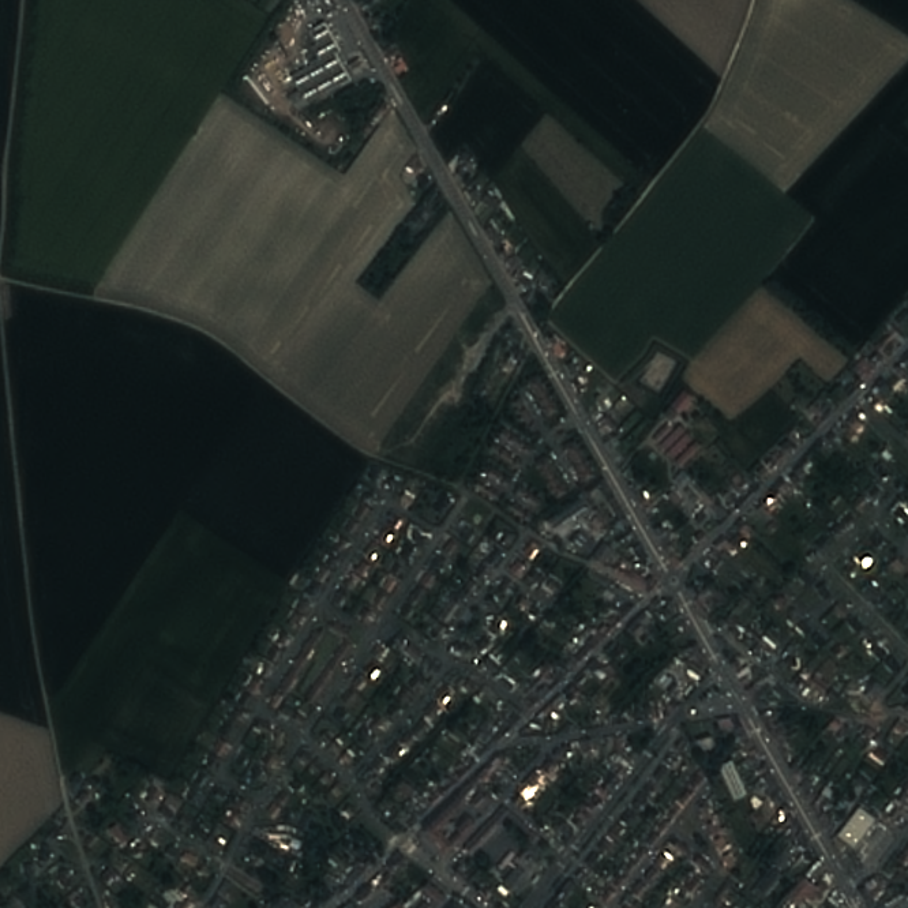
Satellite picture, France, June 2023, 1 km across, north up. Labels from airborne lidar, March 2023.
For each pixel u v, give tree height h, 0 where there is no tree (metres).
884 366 0
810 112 0
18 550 0
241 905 0
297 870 8
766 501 0
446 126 0
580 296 0
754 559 0
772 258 0
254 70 0
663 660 6
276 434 0
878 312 0
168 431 0
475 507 0
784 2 0
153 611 0
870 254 0
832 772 0
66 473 0
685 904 0
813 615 0
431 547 0
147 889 0
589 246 0
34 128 0
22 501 0
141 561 0
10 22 0
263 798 0
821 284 0
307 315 0
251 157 0
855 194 0
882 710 0
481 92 0
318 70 0
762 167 0
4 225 0
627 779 0
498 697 0
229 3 0
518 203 0
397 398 0
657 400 0
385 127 0
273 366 0
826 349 0
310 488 0
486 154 0
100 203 0
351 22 0
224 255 0
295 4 0
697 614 0
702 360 0
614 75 0
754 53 0
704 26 0
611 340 0
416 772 0
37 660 0
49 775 0
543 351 0
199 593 0
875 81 0
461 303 0
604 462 0
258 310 0
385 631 0
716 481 0
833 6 0
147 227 0
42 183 0
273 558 0
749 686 0
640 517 0
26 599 0
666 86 0
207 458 0
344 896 0
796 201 0
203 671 0
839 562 0
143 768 14
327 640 0
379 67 0
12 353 0
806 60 0
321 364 0
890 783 0
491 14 0
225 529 0
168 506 0
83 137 0
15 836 0
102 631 0
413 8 0
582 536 0
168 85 0
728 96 0
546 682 0
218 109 0
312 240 0
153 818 0
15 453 0
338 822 15
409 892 9
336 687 0
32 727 0
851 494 0
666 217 0
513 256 0
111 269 0
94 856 0
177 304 0
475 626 8
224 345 0
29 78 0
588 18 0
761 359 0
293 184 0
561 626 7
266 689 0
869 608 0
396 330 0
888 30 0
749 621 0
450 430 0
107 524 0
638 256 0
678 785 0
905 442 0
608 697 0
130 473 0
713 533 0
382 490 0
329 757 0
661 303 0
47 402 0
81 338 0
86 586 0
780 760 0
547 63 0
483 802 0
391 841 0
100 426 0
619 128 0
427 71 0
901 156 0
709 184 0
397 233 7
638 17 0
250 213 0
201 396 0
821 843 0
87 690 0
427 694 0
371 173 0
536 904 0
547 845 11
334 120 0
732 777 0
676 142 0
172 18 0
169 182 0
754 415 0
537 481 0
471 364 0
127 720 0
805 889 0
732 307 0
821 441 0
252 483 0
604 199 0
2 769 0
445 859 0
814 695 0
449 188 0
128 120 0
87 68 0
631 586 0
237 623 0
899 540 0
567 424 0
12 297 0
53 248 0
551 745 0
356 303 0
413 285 0
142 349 0
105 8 0
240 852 0
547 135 0
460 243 0
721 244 0
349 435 0
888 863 0
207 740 0
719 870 0
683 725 5
